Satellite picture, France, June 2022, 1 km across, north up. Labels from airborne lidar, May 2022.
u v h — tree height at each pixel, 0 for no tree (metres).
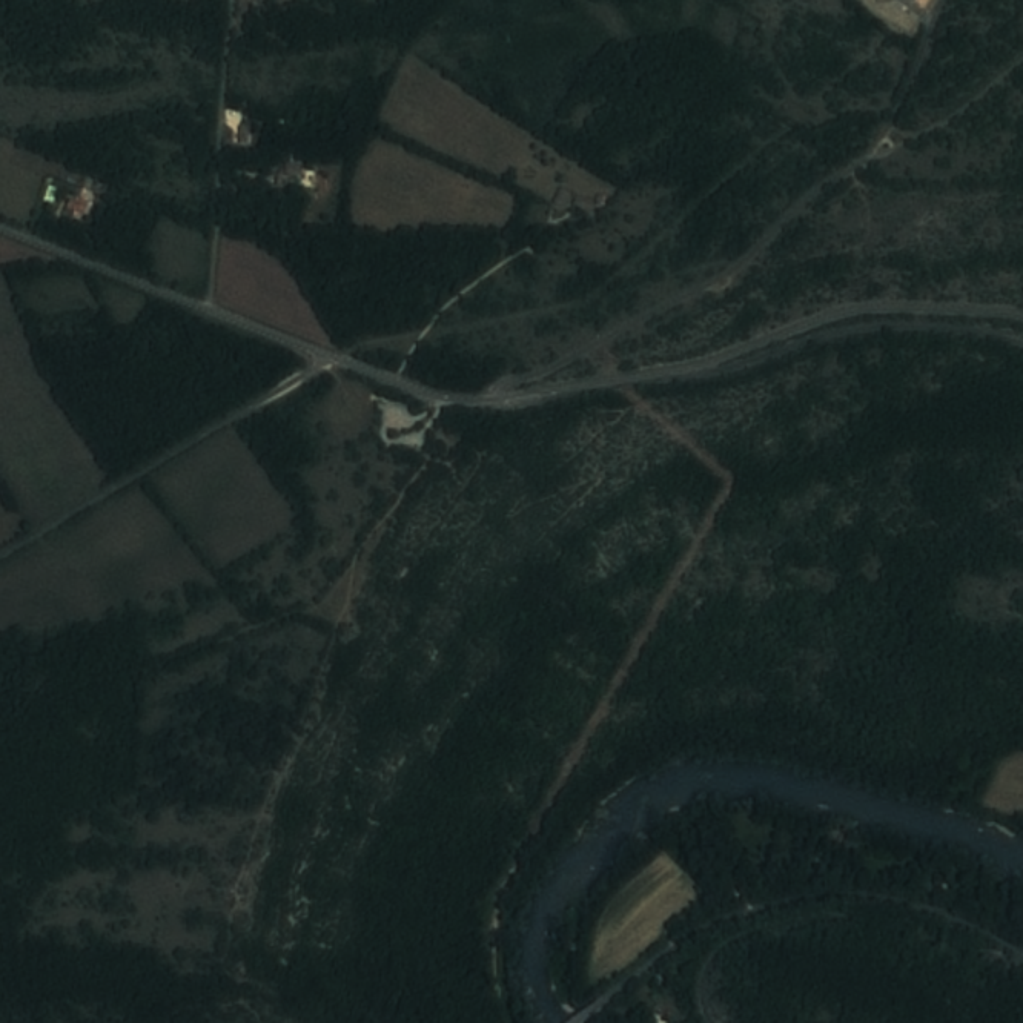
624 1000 18
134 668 9
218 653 7
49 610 0
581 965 15
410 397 8
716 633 14
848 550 13
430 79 0
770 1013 12
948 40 9
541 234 11
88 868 7
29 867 8
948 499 13
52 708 10
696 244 6
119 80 10
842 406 10
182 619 6
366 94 9
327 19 11
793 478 16
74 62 8
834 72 7
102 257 13
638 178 10
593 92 8
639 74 12
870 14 6
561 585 10
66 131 12
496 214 0
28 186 0
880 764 13
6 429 0
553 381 6
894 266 9
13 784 8
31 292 0
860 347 11
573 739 12
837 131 8
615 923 0
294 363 12
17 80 10
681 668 13
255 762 8
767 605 12
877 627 11
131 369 12
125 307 0
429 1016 17
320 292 10
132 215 10
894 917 24
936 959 19
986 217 5
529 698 11
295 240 11
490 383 12
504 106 11
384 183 0
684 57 9
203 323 13
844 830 21
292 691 8
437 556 5
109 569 0
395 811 12
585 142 11
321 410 0
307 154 13
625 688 13
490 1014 27
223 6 9
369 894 11
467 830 11
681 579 7
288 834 6
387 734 6
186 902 0
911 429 15
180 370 7
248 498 0
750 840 0
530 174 0
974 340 10
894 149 0
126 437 16
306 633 0
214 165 7
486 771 13
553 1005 0
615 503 8
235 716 7
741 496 9
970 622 10
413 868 15
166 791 10
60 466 0
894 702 8
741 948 10
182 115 11
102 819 6
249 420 8
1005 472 9
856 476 9
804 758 35
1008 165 7
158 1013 9
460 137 0
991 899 11
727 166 7
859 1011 10
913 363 6
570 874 0
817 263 7
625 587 13
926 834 0
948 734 14
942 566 14
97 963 10
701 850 11
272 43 9
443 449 6
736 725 22
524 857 35
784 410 7
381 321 11
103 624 9
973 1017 16
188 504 0
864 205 0
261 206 14
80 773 10
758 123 8
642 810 0
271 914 6
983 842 0
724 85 7
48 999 10
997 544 8
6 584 0
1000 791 0
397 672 8
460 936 18
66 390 14
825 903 26
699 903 6
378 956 13
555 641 14
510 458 5
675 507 7
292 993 10
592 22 0
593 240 0
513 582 8
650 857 16
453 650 7
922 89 6
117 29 11
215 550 0
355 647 6
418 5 12
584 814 14
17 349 0
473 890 13
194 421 12
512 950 34
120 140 10
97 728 6
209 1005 7
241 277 0
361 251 14
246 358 14
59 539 0
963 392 12
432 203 0
